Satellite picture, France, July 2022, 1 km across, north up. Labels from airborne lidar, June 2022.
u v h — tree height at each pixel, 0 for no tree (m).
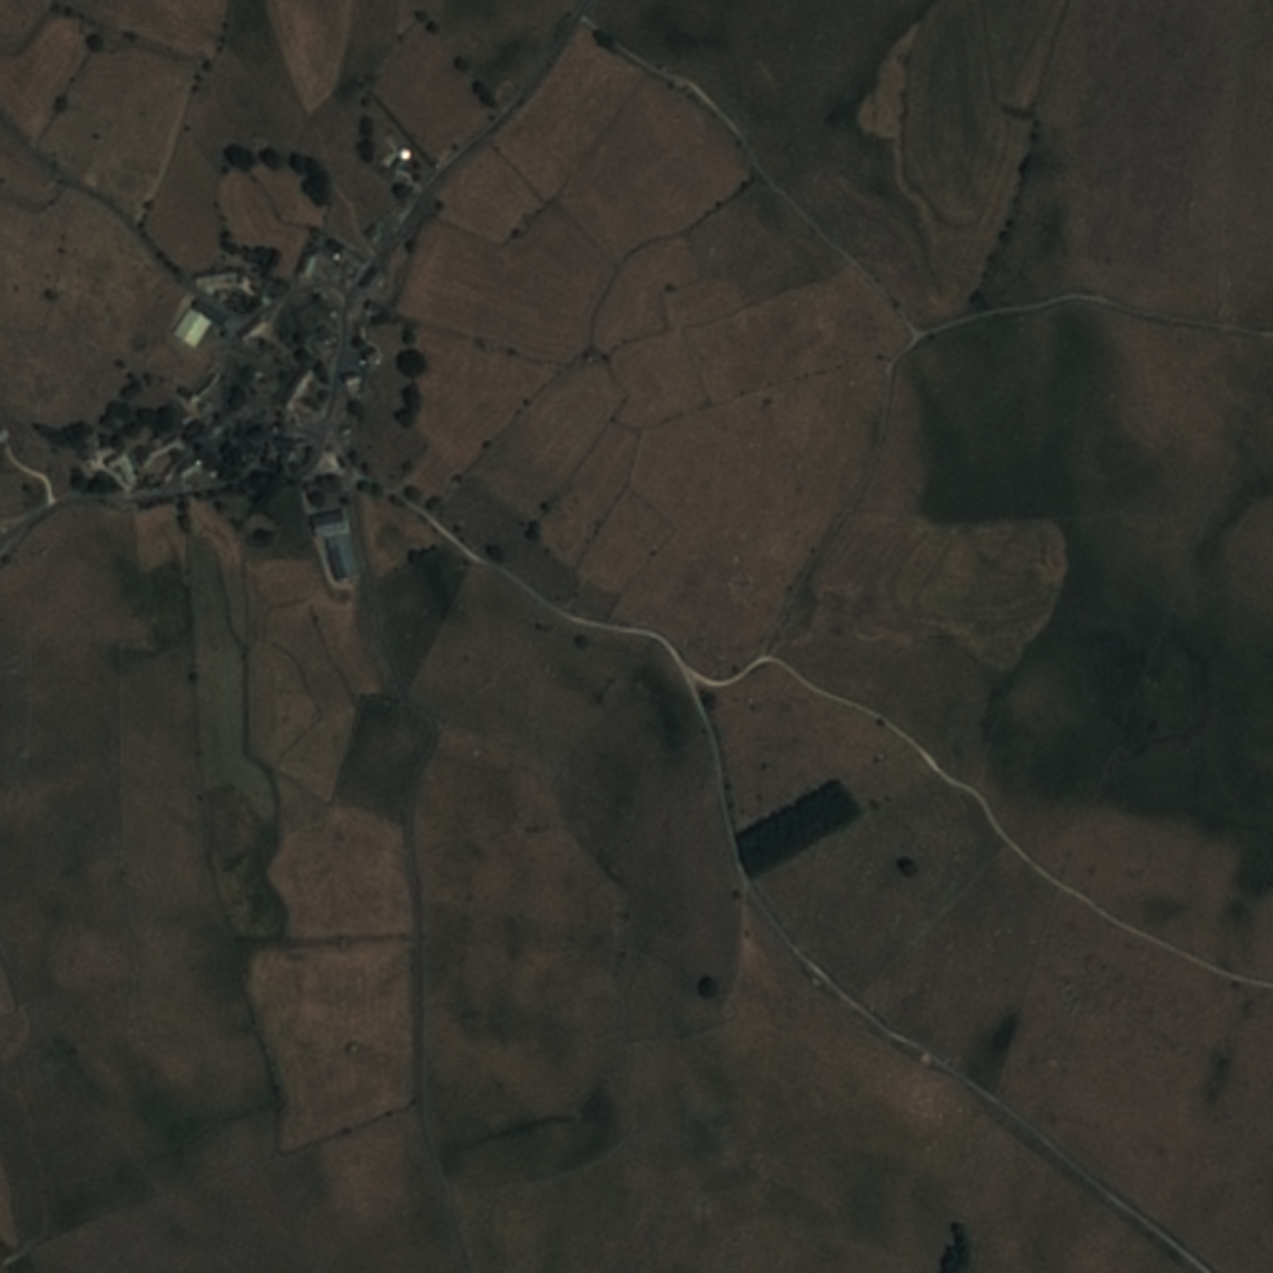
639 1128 0
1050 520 0
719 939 0
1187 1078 0
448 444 0
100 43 9
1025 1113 0
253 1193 0
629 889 0
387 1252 0
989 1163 0
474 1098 0
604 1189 0
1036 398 0
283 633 0
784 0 0
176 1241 0
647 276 0
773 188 0
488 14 0
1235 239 0
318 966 0
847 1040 0
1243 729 0
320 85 0
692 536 0
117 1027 0
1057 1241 0
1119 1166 0
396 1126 0
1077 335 0
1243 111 0
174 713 0
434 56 0
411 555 9
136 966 0
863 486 0
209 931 0
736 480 0
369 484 9
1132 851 0
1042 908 0
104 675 0
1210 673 0
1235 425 0
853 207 0
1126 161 0
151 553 0
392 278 0
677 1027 0
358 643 0
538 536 9
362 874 0
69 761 0
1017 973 0
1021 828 0
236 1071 0
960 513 0
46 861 0
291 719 0
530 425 0
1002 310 0
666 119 0
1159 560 0
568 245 0
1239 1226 0
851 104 0
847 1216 0
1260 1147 0
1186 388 0
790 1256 0
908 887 0
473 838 0
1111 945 0
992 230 0
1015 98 0
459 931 0
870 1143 0
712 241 0
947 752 0
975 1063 0
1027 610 0
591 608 0
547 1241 0
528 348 0
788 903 0
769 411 0
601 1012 0
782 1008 0
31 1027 0
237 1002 0
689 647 0
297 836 0
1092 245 0
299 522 0
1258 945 0
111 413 10
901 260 0
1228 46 0
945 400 0
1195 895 0
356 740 0
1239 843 0
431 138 0
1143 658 0
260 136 0
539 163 0
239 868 0
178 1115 0
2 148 0
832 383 0
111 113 0
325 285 0
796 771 0
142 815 0
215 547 0
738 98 0
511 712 0
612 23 0
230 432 7
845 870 0
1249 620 0
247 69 0
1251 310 0
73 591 0
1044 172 0
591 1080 0
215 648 0
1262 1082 0
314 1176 0
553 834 0
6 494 0
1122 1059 0
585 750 0
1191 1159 0
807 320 0
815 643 0
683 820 0
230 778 0
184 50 0
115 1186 0
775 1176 0
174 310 0
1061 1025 0
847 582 0
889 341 0
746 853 12
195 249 0
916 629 0
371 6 0
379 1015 0
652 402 0
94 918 0
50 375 0
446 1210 0
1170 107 0
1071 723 0
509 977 0
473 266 0
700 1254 0
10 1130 0
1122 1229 0
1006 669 0
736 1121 0
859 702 0
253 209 0
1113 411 0
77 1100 0
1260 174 0
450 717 0
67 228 0
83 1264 0
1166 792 0
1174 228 0
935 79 0
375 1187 0
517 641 0
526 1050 0
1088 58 0
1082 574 0
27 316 0
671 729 0
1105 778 0
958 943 0
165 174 0
